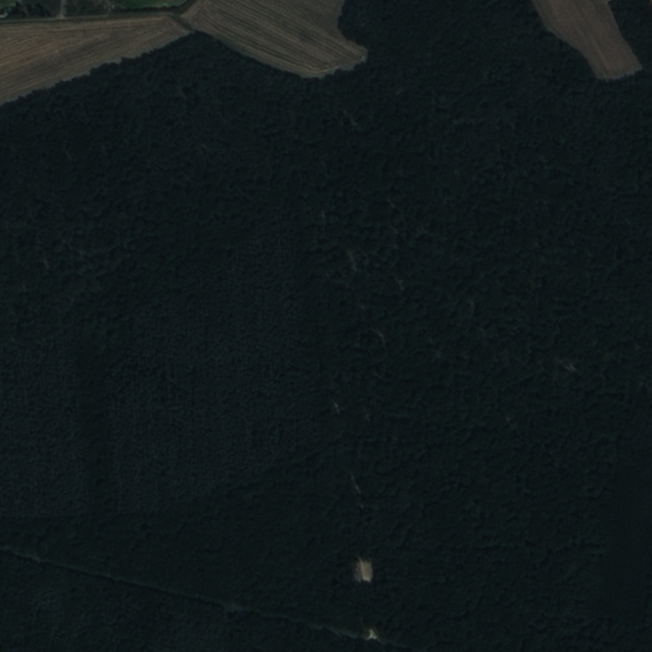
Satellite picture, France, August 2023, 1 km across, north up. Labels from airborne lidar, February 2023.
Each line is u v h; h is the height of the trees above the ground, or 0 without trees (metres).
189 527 23
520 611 22
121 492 17
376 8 20
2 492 19
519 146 7
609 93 14
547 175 24
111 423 17
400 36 19
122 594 12
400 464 11
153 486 20
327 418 22
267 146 24
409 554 23
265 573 22
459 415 23
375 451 24
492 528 20
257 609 19
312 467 25
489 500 23
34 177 24
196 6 0
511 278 21
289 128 25
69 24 0
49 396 16
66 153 17
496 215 23
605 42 0
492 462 22
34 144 24
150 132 26
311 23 0
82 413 15
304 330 17
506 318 23
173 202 25
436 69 19
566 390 21
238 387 22
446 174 22
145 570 20
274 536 22
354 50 0
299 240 19
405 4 20
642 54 17
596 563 13
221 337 21
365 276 24
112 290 22
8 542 22
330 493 21
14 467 15
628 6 9
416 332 25
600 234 20
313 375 21
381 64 16
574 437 14
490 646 18
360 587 21
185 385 18
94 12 0
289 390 18
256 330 22
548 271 23
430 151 17
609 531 15
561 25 0
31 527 23
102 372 12
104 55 0
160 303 17
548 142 19
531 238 25
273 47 0
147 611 14
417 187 23
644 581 11
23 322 12
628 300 21
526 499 25
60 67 0
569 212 26
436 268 26
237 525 19
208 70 21
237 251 21
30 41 0
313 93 21
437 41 13
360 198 24
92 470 17
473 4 20
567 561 17
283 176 24
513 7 15
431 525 19
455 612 20
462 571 21
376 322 26
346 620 18
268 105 18
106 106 20
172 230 23
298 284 21
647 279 20
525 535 22
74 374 20
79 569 14
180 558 21
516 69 18
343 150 21
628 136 18
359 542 19
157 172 22
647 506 13
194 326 22
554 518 14
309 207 28
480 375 23
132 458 20
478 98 18
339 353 16
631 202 22
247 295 24
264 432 20
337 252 16
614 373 22
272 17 0
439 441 20
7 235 23
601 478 21
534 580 16
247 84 20
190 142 26
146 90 25
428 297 27
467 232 21
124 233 18
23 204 21
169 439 16
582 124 17
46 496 21
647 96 20
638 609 12
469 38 10
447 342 20
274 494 25
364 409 24
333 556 18
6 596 24
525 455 20
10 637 20
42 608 22
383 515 20
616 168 21
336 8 0
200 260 24
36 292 15
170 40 0
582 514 22
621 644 16
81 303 17
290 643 23
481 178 18
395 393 20
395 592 24
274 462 16
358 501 25
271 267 20
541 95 22
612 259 25
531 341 17
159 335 23
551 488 20
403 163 20
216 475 22
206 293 21
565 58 17
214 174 23
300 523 21
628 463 14
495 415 22
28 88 0
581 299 20
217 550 16
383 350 23
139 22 0
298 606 20
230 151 24
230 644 20
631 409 24
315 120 22
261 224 23
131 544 21
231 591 19
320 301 26
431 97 25
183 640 23
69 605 20
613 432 18
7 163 21
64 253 18
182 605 21
